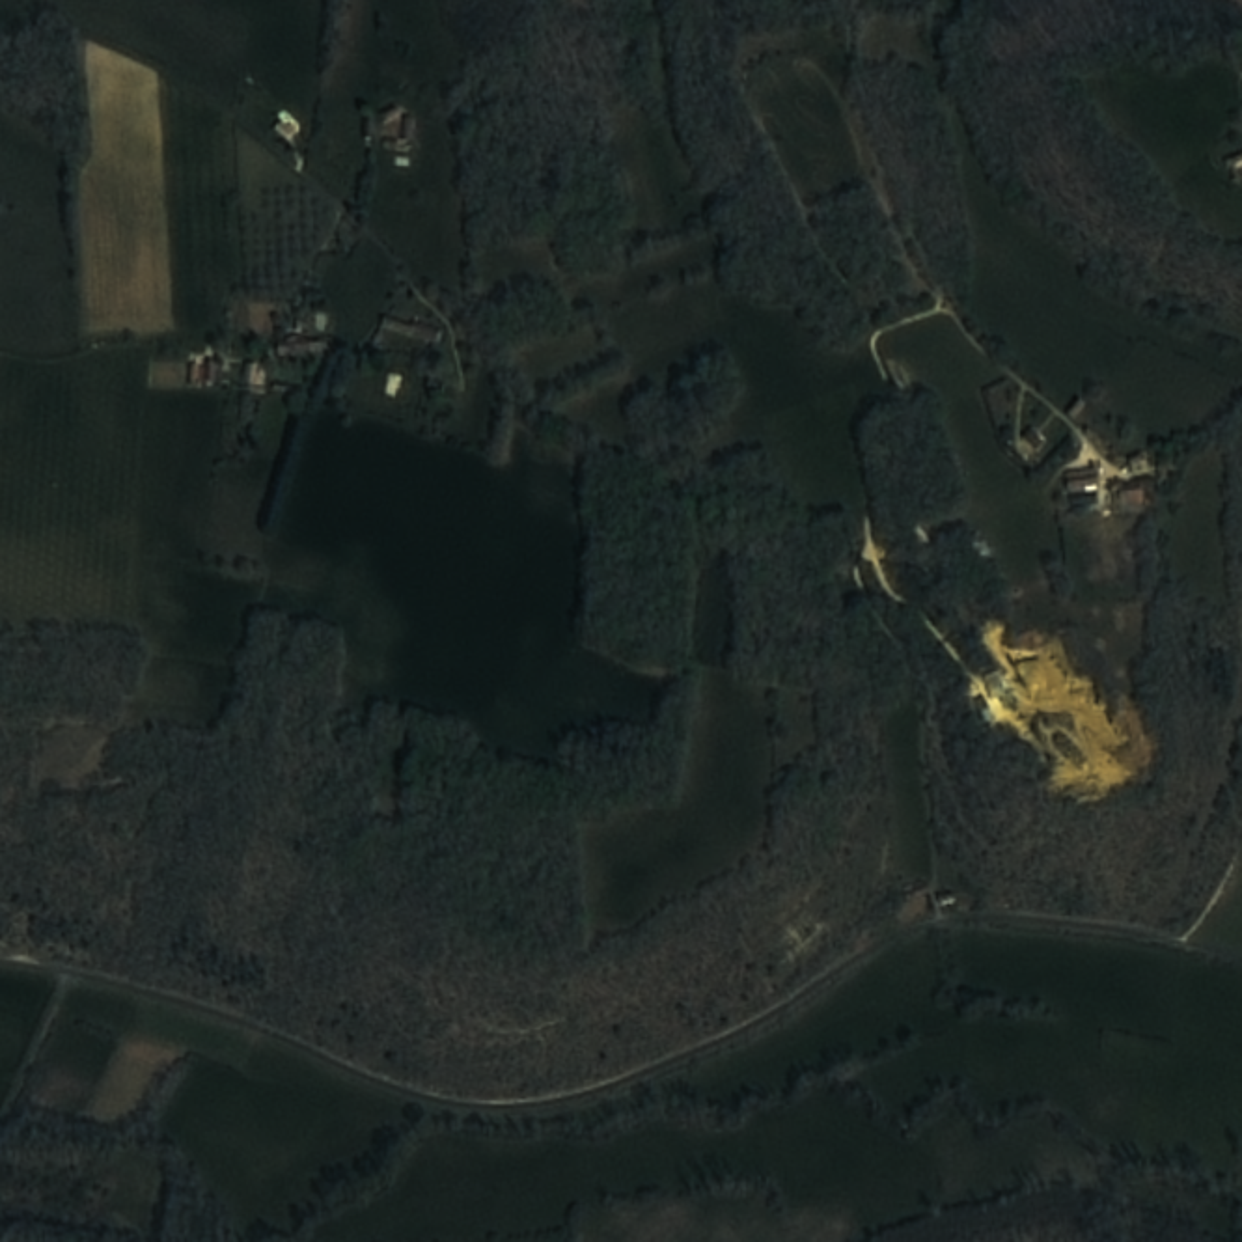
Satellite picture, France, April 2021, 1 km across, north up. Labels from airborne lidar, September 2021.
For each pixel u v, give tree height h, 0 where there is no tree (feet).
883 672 81
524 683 0
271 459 0
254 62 0
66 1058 0
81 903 39
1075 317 0
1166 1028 0
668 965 37
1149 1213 27
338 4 35
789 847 48
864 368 0
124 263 0
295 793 40
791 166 0
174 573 0
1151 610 37
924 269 48
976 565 59
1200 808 19
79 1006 0
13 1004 0
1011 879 23
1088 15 61
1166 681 69
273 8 0
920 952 0
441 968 44
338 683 45
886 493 57
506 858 48
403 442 0
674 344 0
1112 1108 0
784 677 40
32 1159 88
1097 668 0
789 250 69
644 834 0
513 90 74
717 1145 0
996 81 64
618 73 50
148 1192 0
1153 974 0
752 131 64
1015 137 42
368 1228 0
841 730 44
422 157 0
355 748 52
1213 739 42
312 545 0
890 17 38
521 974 47
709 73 47
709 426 83
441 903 58
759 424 0
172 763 67
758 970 31
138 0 0
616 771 76
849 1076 96
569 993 46
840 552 64
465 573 0
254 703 56
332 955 51
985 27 68
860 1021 0
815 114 0
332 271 0
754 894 48
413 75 0
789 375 0
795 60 0
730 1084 0
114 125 0
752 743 0
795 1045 0
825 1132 0
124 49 0
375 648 0
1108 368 0
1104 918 44
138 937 39
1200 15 69
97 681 60
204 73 0
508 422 49
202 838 69
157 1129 44
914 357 0
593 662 0
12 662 57
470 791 61
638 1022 28
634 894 0
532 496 0
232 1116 0
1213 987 0
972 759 44
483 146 86
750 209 69
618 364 67
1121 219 39
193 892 52
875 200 60
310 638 64
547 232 79
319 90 0
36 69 64
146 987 49
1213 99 0
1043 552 0
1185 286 20
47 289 0
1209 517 0
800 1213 0
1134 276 49
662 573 94
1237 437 79
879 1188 0
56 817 36
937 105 65
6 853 47
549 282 0
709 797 0
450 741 80
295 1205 0
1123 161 68
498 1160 0
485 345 63
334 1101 0
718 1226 0
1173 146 0
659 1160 0
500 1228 0
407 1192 0
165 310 0
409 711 48
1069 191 44
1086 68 65
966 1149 0
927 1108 47
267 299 35
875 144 33
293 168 0
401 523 0
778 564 67
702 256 0
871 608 66
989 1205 26
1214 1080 0
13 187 0
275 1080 0
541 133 77
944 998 43
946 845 21
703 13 61
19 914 27
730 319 0
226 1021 0
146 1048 0
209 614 0
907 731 0
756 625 84
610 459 58
